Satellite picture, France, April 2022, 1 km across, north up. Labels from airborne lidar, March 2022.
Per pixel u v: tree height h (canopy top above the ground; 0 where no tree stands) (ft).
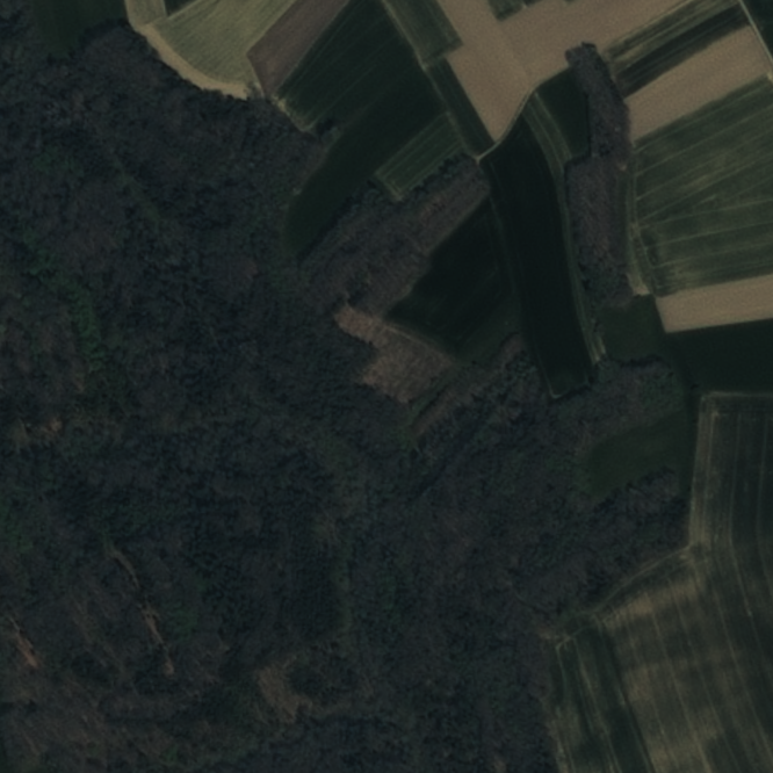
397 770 82
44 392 106
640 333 0
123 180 84
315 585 104
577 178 88
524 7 0
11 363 111
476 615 86
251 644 95
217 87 0
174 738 56
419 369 0
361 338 0
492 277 0
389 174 0
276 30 0
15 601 85
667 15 0
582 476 97
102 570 73
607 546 79
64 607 98
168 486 60
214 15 0
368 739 101
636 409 100
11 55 79
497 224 0
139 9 0
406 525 95
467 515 87
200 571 116
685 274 0
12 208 101
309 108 0
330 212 0
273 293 110
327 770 91
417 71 0
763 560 0
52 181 111
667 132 0
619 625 0
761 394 0
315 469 95
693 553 0
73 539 109
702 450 0
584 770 0
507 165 0
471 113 0
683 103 0
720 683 0
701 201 0
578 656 0
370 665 74
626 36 0
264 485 95
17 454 87
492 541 86
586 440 95
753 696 0
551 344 0
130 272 95
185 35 0
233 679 33
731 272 0
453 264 0
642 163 0
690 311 0
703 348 0
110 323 76
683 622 0
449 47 0
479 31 0
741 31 0
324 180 0
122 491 54
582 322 0
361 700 69
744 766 0
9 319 87
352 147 0
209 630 103
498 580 81
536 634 85
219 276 94
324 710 64
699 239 0
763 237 0
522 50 0
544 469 93
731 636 0
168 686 91
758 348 0
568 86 0
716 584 0
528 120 0
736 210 0
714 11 0
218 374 87
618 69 0
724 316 0
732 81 0
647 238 0
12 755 87
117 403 29
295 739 78
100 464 93
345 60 0
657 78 0
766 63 0
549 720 59
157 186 74
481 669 97
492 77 0
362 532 79
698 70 0
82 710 103
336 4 0
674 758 0
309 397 48
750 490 0
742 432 0
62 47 0
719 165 0
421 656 70
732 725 0
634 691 0
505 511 93
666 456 0
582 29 0
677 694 0
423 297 0
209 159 86
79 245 131
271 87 0
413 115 0
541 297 0
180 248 73
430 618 91
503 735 82
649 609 0
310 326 77
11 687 97
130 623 95
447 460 28
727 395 0
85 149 104
